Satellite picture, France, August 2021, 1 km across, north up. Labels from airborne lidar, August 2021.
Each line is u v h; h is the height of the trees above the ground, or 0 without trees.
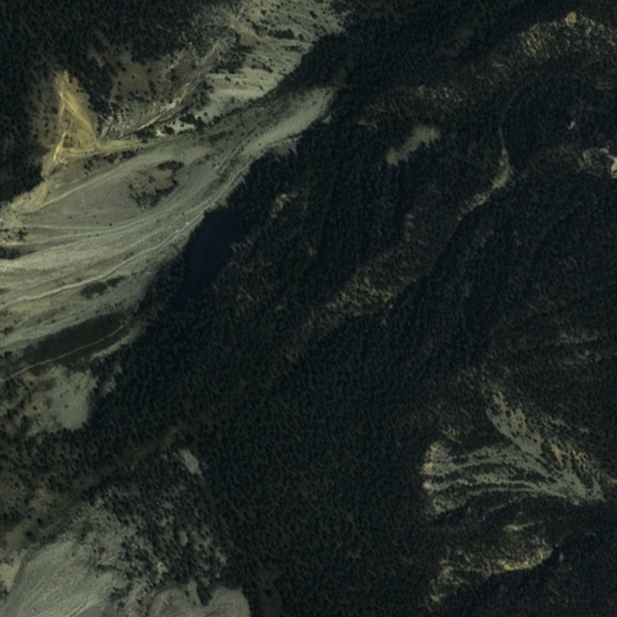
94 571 0
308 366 25
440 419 12
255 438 13
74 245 0
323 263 14
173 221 0
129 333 0
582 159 7
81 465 17
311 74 9
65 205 0
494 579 11
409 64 13
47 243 0
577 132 12
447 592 14
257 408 21
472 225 10
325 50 14
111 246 0
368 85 13
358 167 15
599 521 11
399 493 14
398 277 11
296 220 7
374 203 12
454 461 6
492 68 8
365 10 15
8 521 15
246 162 0
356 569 12
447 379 11
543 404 16
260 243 13
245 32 0
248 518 14
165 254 0
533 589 15
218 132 0
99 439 10
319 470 15
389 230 10
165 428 21
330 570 17
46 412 0
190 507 10
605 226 12
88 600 0
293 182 8
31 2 16
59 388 0
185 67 0
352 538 17
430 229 15
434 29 21
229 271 9
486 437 8
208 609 0
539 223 17
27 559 0
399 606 17
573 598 14
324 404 15
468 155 13
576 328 11
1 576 0
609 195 11
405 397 16
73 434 7
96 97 11
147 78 0
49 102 0
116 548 0
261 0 0
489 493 10
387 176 14
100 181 0
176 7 14
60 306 0
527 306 9
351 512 18
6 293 0
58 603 0
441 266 11
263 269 12
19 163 9
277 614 0
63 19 12
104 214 0
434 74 12
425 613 14
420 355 15
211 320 14
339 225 17
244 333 16
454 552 7
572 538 9
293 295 16
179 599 0
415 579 18
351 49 22
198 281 13
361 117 13
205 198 0
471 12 25
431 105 9
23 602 0
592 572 8
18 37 16
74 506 0
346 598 7
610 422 6
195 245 0
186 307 11
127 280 0
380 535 17
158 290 8
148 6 10
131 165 0
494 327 10
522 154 12
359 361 14
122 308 0
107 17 8
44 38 14
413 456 19
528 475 6
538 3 12
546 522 9
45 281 0
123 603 0
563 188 13
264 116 0
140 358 19
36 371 0
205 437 14
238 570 19
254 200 8
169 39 11
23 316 0
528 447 0
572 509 9
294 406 16
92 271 0
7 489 0
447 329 14
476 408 18
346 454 16
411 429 20
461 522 10
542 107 9
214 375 16
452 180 11
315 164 8
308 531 16
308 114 0
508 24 14
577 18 6
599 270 7
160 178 0
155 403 19
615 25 9
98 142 0
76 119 0
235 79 0
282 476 17
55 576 0
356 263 14
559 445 8
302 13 0
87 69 11
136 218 0
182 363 16
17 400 0
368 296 10
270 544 13
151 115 0
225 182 0
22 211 0
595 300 15
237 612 0
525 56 7
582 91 11
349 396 15
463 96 10
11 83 23
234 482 18
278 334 6
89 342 0
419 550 13
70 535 0
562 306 15
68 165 0
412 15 12
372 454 15
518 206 11
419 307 14
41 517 0
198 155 0
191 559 12
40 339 0
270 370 19
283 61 0
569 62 12
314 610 13
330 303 8
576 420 15
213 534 12
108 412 16
